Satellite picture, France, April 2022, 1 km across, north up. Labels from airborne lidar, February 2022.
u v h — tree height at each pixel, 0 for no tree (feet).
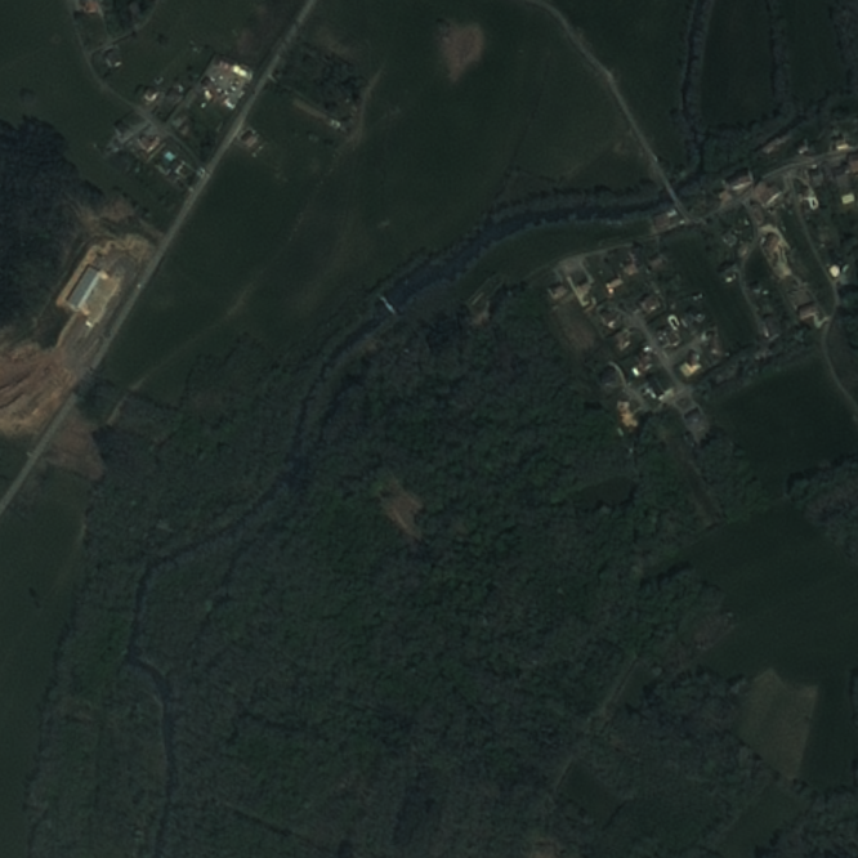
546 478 75
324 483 75
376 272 0
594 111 0
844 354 0
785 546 0
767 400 0
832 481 68
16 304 65
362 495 45
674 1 0
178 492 87
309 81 0
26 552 0
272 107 0
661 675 48
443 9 0
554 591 43
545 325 61
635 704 0
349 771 66
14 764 0
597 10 0
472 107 0
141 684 67
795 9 0
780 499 0
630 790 36
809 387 0
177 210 0
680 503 84
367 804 59
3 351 0
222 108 0
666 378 0
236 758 72
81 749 87
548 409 72
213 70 0
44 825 53
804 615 0
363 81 26
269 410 81
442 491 67
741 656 0
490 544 44
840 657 0
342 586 81
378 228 0
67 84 0
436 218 0
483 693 77
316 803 74
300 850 60
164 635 45
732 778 71
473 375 84
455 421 49
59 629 0
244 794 79
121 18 43
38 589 0
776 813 0
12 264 57
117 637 79
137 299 0
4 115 0
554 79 0
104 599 74
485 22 0
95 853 41
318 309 0
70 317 0
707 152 63
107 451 100
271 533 24
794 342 22
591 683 39
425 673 59
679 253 0
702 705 64
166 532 73
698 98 56
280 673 66
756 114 0
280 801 62
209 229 0
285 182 0
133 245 0
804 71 0
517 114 0
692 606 64
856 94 63
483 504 39
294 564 78
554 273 0
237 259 0
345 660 65
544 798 59
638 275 0
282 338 0
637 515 59
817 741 0
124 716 77
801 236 0
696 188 62
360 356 0
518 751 79
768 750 0
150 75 0
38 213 70
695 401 0
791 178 0
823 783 0
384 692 71
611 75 0
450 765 78
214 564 72
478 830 61
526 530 70
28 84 0
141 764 78
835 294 0
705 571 0
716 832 68
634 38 0
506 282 0
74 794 76
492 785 63
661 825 27
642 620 63
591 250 0
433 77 0
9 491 0
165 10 0
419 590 71
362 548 35
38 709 0
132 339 0
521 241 0
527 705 79
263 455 63
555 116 0
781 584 0
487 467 70
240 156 0
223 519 39
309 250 0
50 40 0
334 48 0
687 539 73
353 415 71
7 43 0
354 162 0
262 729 77
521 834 77
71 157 0
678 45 0
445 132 0
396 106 0
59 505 0
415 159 0
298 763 54
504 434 63
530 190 0
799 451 0
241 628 71
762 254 0
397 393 56
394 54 0
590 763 32
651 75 0
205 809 38
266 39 0
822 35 0
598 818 0
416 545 62
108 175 0
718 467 71
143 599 49
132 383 0
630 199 53
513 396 79
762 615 0
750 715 0
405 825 83
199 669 57
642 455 51
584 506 24
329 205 0
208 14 0
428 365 79
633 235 0
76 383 0
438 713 70
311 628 68
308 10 0
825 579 0
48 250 89
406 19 0
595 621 60
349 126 26
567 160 0
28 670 0
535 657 76
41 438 0
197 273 0
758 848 0
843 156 0
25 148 76
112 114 0
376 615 83
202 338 0
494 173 0
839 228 23
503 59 0
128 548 90
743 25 0
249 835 77
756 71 0
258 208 0
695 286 0
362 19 0
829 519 54
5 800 0
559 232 0
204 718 82
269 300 0
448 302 73
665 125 0
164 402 0
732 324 0
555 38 0
